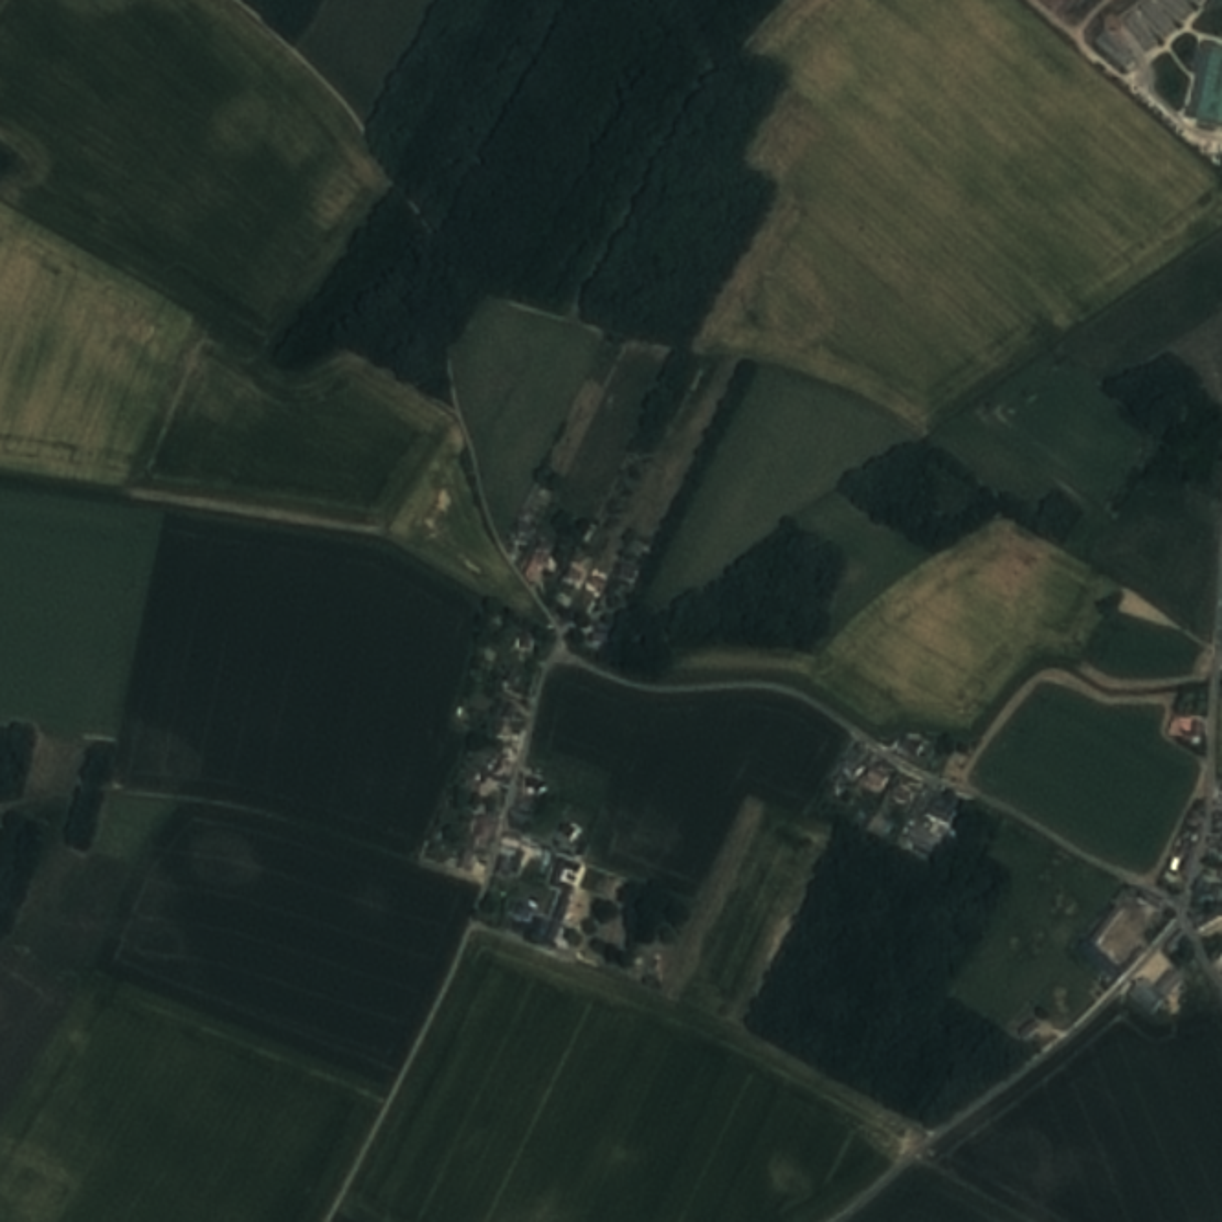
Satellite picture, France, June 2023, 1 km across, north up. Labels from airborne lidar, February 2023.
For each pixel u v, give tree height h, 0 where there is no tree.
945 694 0
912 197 0
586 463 0
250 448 0
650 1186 0
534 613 0
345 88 0
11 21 0
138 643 0
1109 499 0
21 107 0
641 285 17
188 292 0
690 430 0
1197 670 0
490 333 0
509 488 0
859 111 0
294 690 0
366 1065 0
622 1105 0
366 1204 0
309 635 0
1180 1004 0
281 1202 0
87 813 13
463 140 19
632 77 19
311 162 0
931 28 0
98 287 0
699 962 0
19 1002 0
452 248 21
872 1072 11
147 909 0
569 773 0
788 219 0
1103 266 0
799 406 0
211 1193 0
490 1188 0
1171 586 0
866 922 10
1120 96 0
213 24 0
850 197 0
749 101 19
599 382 0
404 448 0
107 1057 0
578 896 0
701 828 0
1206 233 0
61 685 0
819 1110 0
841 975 9
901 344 0
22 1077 0
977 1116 0
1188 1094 0
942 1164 0
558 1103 0
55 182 0
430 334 19
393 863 0
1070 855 0
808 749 0
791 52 0
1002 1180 0
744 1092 0
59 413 0
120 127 0
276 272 0
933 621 0
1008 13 0
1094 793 0
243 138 0
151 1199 0
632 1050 0
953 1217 0
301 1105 0
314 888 0
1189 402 19
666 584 0
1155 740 0
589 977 0
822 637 17
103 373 0
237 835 0
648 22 18
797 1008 11
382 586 0
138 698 0
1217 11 0
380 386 0
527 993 0
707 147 19
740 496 0
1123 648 0
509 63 17
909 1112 7
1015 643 0
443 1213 0
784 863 0
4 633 0
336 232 0
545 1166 0
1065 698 0
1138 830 0
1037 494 0
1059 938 0
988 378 0
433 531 0
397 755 0
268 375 0
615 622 10
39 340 0
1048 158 0
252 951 0
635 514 0
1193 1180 0
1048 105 0
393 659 0
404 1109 0
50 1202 0
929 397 0
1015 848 0
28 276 0
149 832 0
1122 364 0
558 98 21
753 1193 0
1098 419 0
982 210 0
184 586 0
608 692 0
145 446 0
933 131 0
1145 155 0
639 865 0
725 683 0
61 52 0
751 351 0
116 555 0
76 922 0
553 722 0
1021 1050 17
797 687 0
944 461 12
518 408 0
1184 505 0
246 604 0
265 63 0
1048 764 0
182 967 0
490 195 23
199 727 0
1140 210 0
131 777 0
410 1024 0
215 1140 0
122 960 0
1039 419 0
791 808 0
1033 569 0
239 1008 0
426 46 17
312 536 0
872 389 0
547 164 21
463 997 0
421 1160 0
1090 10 0
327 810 0
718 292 15
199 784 0
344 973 0
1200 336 0
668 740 0
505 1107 0
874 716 0
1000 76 0
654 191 17
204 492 0
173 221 0
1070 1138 0
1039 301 0
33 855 11
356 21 0
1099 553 0
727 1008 0
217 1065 0
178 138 0
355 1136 0
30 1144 0
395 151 15
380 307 21
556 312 10
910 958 11
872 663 0
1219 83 0
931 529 12
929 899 12
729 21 22
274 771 0
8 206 0
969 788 0
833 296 0
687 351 12
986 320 0
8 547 0
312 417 0
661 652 22
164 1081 0
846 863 10
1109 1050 0
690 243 21
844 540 0
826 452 0
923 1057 11
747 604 19
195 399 0
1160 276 0
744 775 0
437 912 0
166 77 0
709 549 0
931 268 0
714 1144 0
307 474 0
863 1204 0
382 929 0
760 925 0
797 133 0
